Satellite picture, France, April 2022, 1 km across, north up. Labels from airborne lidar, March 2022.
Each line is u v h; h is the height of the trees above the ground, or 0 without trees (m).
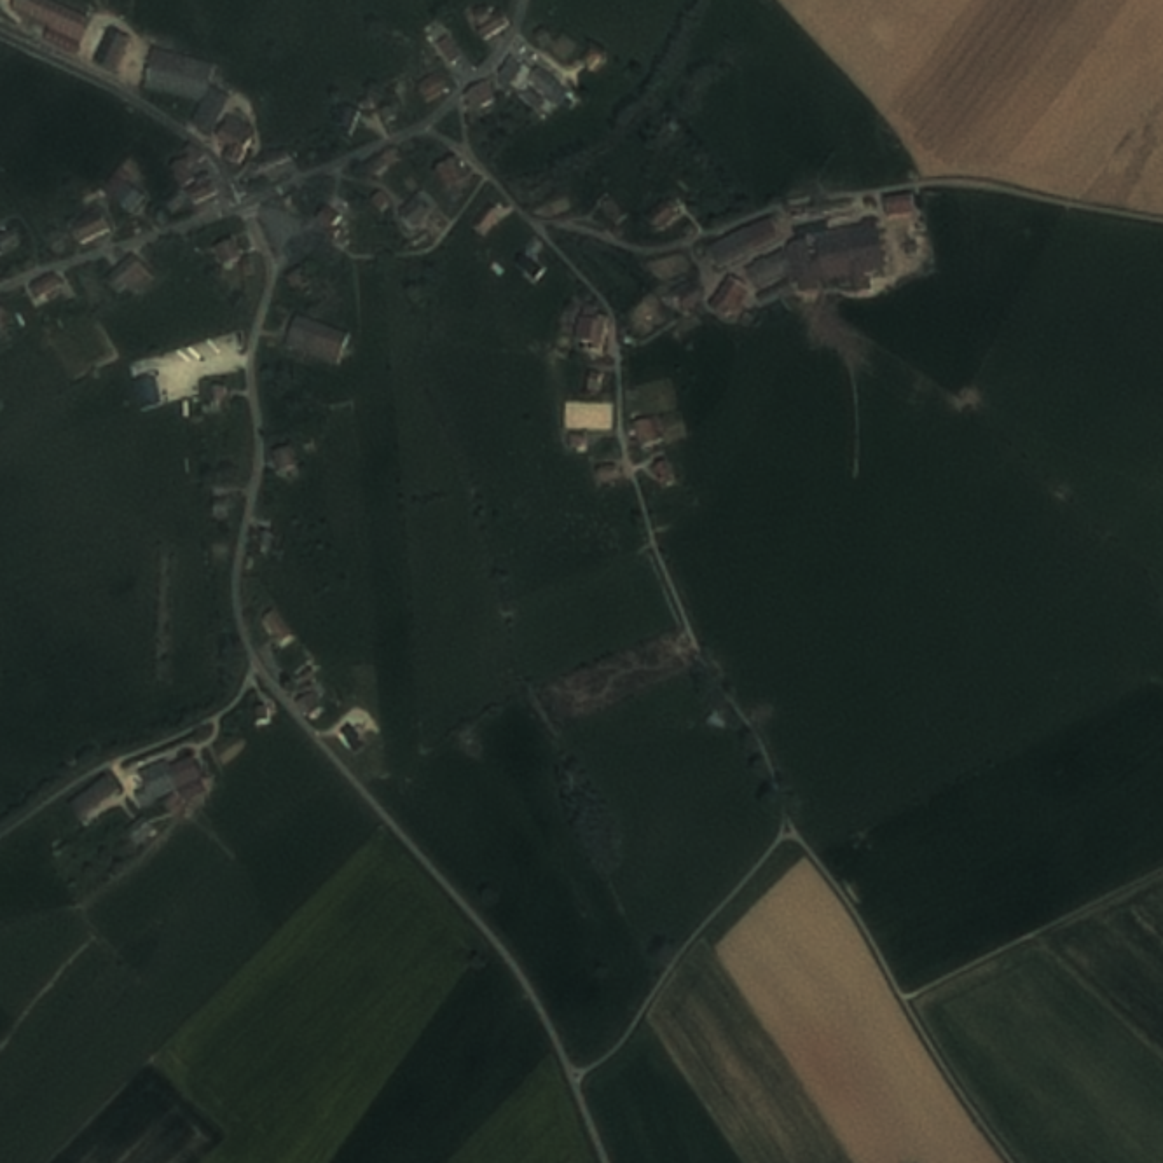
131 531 0
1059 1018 0
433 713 0
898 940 0
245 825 0
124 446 0
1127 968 0
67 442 0
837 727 0
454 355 0
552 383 0
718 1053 0
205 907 0
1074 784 0
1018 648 0
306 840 0
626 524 0
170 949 0
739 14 0
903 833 0
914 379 0
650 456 0
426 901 0
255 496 0
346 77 0
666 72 16
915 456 0
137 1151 0
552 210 0
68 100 0
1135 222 0
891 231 0
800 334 0
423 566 0
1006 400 0
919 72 0
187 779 0
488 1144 0
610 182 0
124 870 10
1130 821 0
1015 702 0
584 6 0
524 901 0
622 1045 0
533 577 0
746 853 0
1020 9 0
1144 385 0
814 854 0
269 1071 0
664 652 0
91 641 0
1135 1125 0
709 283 0
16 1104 0
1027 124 0
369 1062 0
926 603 0
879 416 0
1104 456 0
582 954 0
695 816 0
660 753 0
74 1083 0
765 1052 0
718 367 0
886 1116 0
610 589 0
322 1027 0
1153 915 0
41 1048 0
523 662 0
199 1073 0
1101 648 0
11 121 0
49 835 0
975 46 0
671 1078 0
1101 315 0
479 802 0
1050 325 0
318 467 0
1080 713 0
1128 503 0
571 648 0
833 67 0
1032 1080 0
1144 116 0
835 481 0
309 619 0
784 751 0
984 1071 0
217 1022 0
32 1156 0
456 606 0
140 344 0
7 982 0
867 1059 0
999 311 0
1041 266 0
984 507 0
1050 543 0
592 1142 0
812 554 0
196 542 0
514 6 0
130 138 0
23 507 0
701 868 0
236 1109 0
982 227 0
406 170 0
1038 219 0
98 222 0
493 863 0
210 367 0
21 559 0
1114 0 0
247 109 0
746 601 0
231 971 0
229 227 0
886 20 0
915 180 0
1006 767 0
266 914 0
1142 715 0
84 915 0
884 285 0
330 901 0
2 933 0
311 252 21
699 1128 0
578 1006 0
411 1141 0
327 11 0
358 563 0
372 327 0
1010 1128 0
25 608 0
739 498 0
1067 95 0
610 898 0
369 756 0
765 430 0
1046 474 0
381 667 0
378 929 0
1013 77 0
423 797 0
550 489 0
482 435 0
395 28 0
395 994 0
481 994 0
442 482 0
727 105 0
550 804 0
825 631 0
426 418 0
